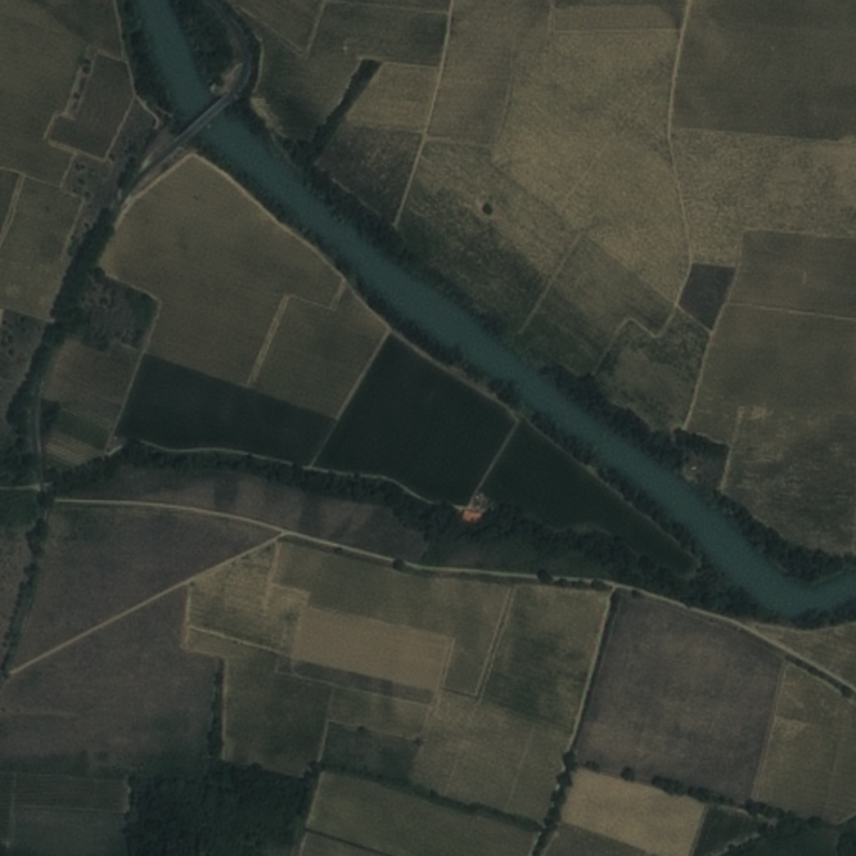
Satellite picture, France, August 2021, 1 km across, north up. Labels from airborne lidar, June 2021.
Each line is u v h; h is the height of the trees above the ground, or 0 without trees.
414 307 0
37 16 0
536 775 0
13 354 7
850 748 0
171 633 0
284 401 0
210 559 0
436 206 0
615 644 0
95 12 0
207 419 0
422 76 0
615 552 14
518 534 13
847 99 0
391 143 0
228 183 0
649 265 0
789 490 0
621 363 0
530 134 0
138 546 0
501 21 0
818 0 0
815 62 0
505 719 0
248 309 0
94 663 0
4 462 7
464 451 0
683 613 0
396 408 0
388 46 0
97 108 0
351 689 0
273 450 0
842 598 0
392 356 0
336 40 0
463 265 0
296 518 0
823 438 0
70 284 15
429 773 0
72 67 0
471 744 0
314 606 0
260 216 0
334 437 0
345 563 0
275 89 0
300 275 0
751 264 0
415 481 0
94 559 0
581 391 16
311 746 0
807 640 0
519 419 0
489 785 0
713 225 0
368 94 0
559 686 0
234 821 18
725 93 0
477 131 0
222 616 0
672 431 0
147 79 13
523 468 0
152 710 0
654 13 0
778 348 0
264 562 0
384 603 0
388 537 0
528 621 0
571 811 0
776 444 0
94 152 0
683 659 0
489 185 0
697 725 0
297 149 17
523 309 0
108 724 0
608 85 0
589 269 0
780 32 0
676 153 0
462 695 0
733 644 0
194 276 0
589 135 0
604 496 0
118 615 0
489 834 0
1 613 0
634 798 0
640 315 0
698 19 0
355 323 0
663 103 0
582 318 0
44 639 0
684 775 0
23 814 0
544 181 0
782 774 0
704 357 0
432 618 0
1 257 0
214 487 0
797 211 0
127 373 0
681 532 16
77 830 0
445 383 0
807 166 0
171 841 17
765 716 0
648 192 0
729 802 12
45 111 0
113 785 0
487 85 0
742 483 0
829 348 0
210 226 0
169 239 0
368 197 0
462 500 0
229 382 0
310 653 0
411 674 0
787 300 0
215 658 0
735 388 0
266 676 0
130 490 0
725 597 10
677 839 0
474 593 0
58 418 8
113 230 18
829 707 0
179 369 0
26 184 0
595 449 19
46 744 0
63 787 0
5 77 0
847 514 0
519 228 0
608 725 0
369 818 0
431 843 0
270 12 0
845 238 0
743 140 0
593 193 0
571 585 8
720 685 0
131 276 0
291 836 10
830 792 0
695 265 0
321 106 0
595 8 0
